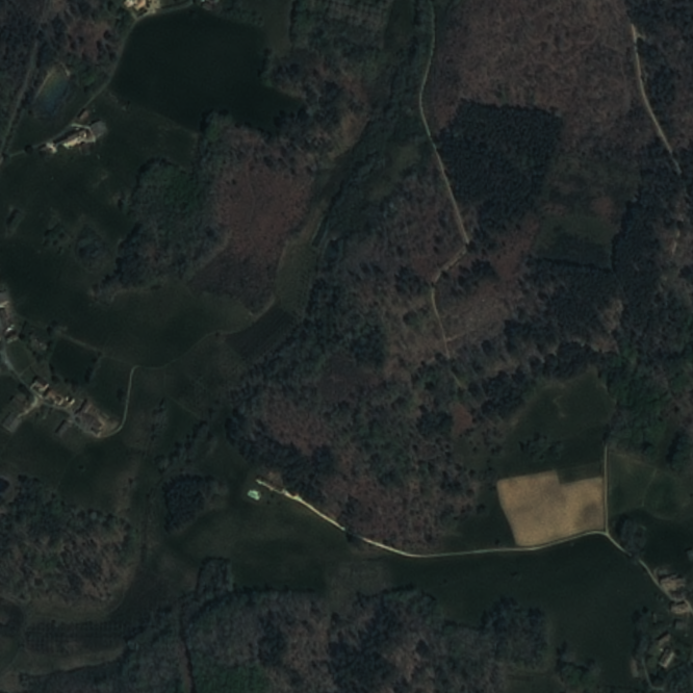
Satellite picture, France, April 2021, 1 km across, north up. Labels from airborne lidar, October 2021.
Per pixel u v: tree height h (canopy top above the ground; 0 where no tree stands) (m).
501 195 18
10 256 0
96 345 0
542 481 0
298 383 16
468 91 14
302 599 9
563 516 0
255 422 7
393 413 13
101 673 6
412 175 13
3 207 0
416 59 23
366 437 15
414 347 22
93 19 10
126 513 0
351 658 26
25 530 19
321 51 25
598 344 10
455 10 6
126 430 0
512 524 0
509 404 24
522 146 20
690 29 17
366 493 9
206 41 0
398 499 11
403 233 6
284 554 0
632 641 0
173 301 0
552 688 0
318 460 6
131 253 22
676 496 0
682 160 16
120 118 0
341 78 29
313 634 17
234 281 6
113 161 0
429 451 7
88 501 0
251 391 13
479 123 18
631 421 23
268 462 16
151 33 0
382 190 0
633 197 0
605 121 11
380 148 15
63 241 15
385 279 16
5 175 0
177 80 0
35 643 9
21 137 0
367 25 13
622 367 16
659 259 19
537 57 12
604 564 0
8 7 9
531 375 12
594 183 0
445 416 15
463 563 0
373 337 21
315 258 9
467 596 0
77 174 0
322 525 0
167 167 17
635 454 21
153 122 0
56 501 14
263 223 0
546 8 12
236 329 0
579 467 0
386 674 24
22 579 14
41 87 0
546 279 17
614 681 0
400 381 13
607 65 10
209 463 0
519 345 12
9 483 0
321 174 16
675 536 0
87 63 17
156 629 13
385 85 10
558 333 17
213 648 13
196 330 0
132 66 0
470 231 15
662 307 21
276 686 14
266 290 9
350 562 0
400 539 14
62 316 0
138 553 16
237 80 0
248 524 0
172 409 0
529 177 12
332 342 10
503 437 10
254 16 10
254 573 0
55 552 20
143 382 0
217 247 25
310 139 31
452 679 15
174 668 11
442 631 11
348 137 22
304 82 18
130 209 9
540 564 0
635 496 0
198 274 6
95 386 11
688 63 11
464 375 16
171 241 14
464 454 0
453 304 8
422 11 15
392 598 12
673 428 0
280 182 0
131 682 15
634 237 20
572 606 0
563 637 0
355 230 7
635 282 19
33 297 0
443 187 14
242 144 11
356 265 13
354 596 0
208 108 0
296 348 22
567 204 0
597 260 0
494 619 14
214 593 9
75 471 0
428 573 0
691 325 15
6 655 0
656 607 0
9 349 0
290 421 8
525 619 24
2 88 16
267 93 0
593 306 21
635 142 10
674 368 21
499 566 0
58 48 14
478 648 13
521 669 22
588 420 0
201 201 10
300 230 8
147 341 0
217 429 0
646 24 20
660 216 18
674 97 15
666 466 0
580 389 0
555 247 0
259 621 10
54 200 0
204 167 12
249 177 0
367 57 26
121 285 15
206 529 0
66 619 0
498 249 17
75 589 20
